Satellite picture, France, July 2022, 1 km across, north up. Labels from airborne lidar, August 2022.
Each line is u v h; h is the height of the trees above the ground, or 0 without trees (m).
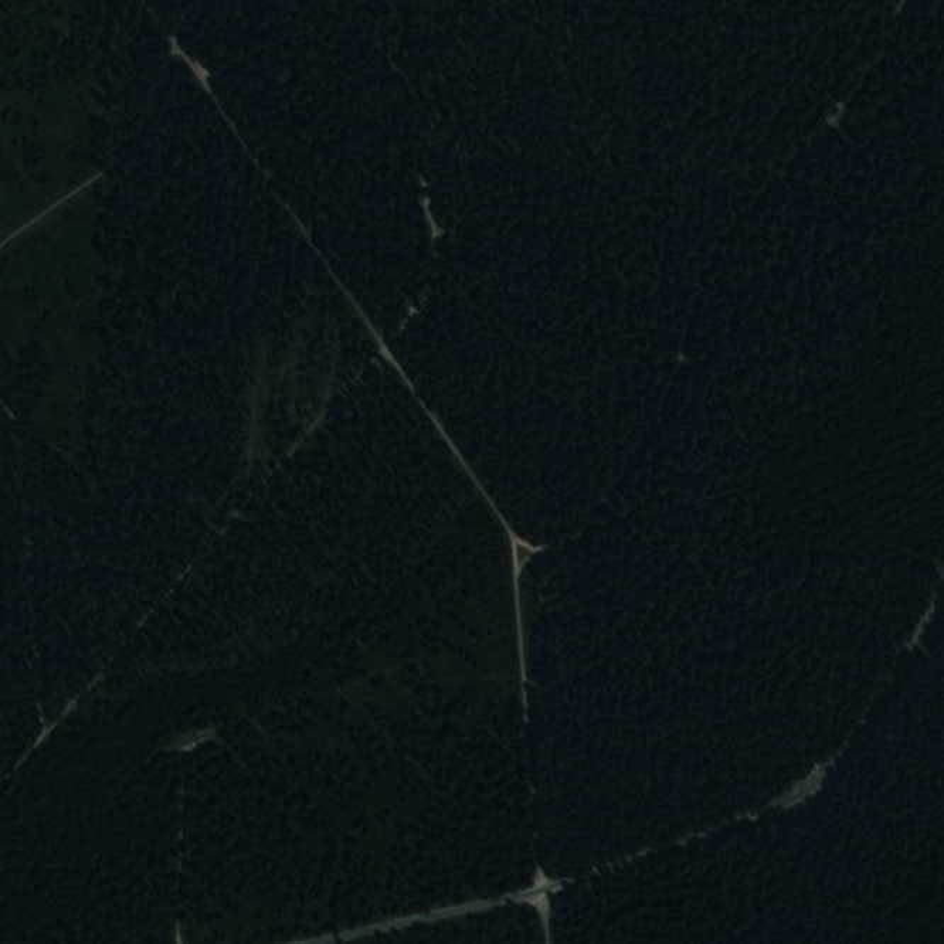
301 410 11
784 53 15
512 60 25
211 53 32
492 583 7
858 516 11
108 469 12
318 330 6
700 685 28
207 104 34
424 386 33
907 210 34
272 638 29
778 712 30
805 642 30
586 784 24
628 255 32
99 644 34
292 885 15
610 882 15
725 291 29
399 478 11
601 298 16
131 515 37
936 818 27
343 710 8
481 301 35
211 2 35
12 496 34
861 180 36
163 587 31
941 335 18
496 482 33
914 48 20
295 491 29
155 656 13
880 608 39
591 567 14
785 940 31
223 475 32
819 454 12
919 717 28
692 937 10
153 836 9
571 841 33
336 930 15
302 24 31
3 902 14
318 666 10
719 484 35
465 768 16
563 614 29
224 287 10
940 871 14
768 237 37
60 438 6
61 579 32
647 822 28
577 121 36
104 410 30
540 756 32
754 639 29
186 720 8
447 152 11
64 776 7
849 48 25
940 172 32
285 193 28
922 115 29
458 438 25
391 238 35
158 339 42
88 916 17
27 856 11
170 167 36
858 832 24
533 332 36
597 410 36
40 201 0
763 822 16
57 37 15
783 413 34
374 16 34
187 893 16
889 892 25
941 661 31
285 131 34
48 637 36
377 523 29
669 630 32
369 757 9
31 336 0
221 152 34
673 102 31
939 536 10
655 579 33
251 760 13
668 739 15
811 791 0
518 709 25
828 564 32
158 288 32
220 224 35
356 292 31
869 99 32
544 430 31
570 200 38
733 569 35
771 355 16
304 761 6
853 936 28
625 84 29
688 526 37
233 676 10
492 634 8
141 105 29
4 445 30
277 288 13
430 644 8
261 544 14
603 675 29
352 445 35
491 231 32
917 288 19
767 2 30
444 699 11
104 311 16
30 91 15
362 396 33
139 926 11
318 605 9
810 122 31
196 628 36
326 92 32
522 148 37
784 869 24
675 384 20
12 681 38
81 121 0
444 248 12
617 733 26
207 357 35
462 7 29
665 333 11
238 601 28
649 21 37
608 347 36
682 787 29
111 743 6
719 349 36
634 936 11
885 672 28
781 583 19
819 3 12
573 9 31
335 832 9
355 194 34
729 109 32
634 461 34
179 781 19
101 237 11
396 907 10
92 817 11
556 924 12
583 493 34
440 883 14
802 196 28
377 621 9
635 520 13
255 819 10
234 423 36
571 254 37
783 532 15
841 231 33
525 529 29
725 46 24
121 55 38
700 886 16
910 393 15
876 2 35
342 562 6
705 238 31
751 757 27
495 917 19
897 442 11
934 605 0
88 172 0
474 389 25
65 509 26
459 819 15
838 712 20
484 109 11
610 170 38
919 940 18
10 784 13
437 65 27
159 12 26
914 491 13
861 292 36
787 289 33
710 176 11
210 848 7
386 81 27
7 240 0
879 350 8
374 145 32
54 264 0
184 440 29
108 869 13
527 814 7
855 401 11
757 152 28
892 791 30
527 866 18
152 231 6
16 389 26
